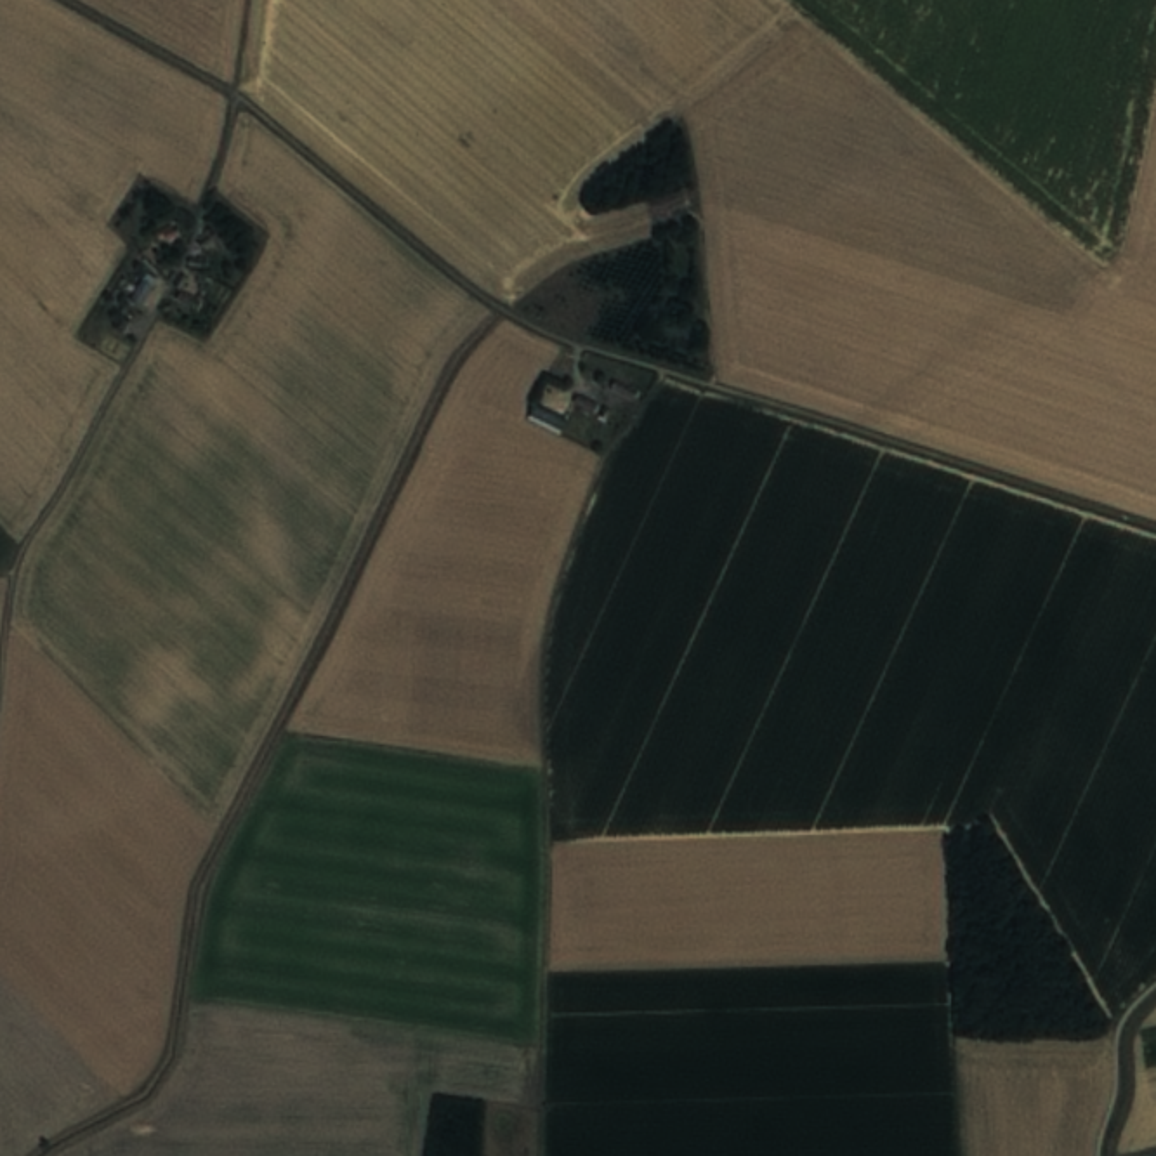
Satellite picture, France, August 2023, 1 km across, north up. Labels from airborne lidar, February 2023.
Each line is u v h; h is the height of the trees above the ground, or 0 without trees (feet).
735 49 0
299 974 0
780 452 0
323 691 0
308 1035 0
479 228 0
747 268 0
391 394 0
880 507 0
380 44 0
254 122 0
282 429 0
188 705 0
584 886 0
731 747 0
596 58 0
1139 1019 0
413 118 0
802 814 0
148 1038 0
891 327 0
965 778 0
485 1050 0
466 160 0
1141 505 0
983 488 0
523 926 0
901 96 0
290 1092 0
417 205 0
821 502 0
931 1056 0
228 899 0
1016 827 0
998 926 72
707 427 0
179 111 0
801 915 0
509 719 0
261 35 0
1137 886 0
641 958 0
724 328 0
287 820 0
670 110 0
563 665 0
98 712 0
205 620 0
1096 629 0
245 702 0
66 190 0
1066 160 0
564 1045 0
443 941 0
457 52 0
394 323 0
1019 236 0
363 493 0
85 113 0
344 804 0
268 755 0
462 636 0
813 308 0
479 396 0
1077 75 0
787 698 0
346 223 0
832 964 0
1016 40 0
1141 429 0
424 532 0
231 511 0
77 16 0
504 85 0
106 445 0
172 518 0
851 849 0
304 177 0
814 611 0
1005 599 0
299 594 0
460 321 0
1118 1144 0
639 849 0
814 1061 0
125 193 0
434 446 0
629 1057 0
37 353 0
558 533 0
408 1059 0
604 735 0
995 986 59
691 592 0
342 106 0
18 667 0
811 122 0
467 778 0
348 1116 0
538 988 0
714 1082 0
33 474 0
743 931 0
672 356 25
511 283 0
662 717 0
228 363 0
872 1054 0
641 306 26
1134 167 0
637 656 0
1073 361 0
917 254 0
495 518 0
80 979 0
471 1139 23
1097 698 0
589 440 0
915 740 0
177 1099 0
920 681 0
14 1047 0
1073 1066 0
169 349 0
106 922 0
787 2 0
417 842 0
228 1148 0
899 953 0
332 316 0
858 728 0
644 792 0
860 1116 0
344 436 0
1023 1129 0
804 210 0
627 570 0
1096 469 0
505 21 0
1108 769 0
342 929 0
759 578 0
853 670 0
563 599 0
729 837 0
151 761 0
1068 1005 51
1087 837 0
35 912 0
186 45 0
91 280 0
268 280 0
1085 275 0
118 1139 0
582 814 0
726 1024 0
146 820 0
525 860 0
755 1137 0
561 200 0
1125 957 0
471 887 0
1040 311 0
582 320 0
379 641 0
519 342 0
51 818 0
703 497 0
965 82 0
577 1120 0
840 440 0
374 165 0
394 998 0
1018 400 0
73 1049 0
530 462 0
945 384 0
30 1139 0
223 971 0
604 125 0
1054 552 0
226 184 0
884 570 0
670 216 0
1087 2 0
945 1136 0
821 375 0
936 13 0
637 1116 0
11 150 0
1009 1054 0
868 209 0
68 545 0
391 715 0
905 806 0
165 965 0
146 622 0
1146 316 0
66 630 0
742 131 0
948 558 0
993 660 0
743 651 0
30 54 0
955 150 0
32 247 0
